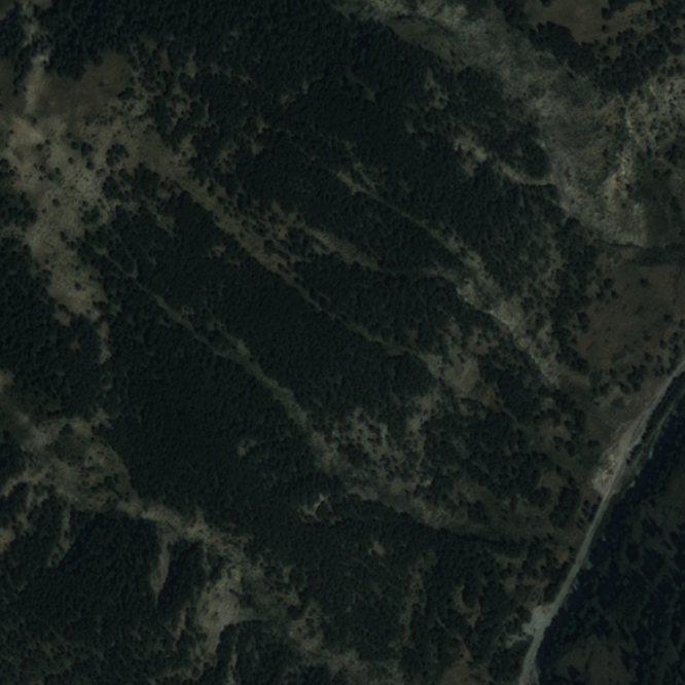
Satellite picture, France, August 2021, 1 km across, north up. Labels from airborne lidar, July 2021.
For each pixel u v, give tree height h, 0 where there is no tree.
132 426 25
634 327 0
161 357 28
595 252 19
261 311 30
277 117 19
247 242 0
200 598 9
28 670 21
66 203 0
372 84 27
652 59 20
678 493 0
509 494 23
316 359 24
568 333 17
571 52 17
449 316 8
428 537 23
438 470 14
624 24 0
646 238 0
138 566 17
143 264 28
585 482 0
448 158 16
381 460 6
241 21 16
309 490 19
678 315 0
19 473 12
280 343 24
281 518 18
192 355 33
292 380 23
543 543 19
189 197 21
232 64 18
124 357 30
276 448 19
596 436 0
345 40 22
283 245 13
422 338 19
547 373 0
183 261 22
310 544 18
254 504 14
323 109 28
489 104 13
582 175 0
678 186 0
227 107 14
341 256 6
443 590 23
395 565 16
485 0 9
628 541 28
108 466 0
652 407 0
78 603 18
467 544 22
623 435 0
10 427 0
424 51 19
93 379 16
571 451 18
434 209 12
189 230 25
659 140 7
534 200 12
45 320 13
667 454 21
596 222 0
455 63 10
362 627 10
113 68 0
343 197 23
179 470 27
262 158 23
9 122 0
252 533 9
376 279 16
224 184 24
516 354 15
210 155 23
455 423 8
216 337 22
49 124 0
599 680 0
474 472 14
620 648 0
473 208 15
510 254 16
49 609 24
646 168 0
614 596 24
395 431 11
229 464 21
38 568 11
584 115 0
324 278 24
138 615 13
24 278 15
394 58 28
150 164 0
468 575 24
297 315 24
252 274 18
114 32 17
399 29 0
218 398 22
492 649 8
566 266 12
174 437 33
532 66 0
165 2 25
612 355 0
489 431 21
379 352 20
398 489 0
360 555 18
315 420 14
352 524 21
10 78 0
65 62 10
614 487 0
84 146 11
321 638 0
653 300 0
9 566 20
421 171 17
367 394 11
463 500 8
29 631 18
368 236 19
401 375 19
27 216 12
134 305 20
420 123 18
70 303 0
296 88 16
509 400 22
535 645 0
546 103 0
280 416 22
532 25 0
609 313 0
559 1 0
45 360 22
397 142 22
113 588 18
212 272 21
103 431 21
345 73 34
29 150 0
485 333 13
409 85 25
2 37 20
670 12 16
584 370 23
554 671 19
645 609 19
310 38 22
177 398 31
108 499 8
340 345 18
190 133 15
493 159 10
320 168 12
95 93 0
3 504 17
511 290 8
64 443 0
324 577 18
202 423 31
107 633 22
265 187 29
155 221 18
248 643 13
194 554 16
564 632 22
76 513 17
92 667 16
